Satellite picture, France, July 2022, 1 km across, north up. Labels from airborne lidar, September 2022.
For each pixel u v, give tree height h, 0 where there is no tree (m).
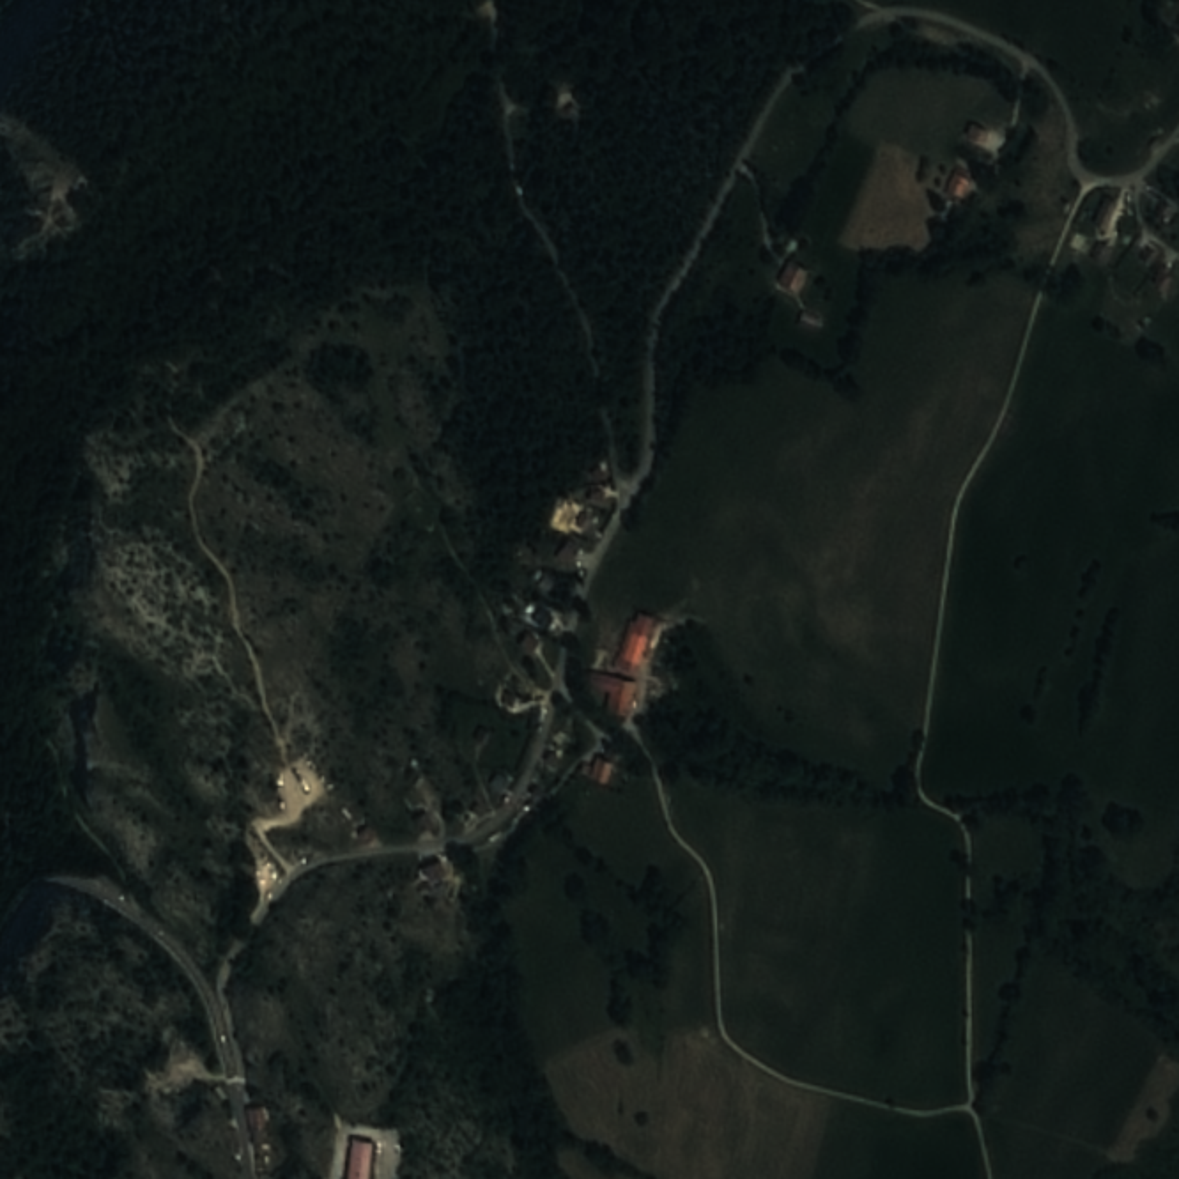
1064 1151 0
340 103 27
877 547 0
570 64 20
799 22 27
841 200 0
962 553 0
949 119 0
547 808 17
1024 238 0
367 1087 9
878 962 0
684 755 6
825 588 0
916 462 0
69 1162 15
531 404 11
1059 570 0
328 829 0
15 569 19
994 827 0
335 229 13
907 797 18
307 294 11
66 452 20
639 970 23
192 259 31
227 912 12
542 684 0
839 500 0
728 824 0
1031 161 0
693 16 19
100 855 9
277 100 11
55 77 12
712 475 0
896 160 0
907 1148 0
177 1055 0
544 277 15
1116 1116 0
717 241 11
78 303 19
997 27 0
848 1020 0
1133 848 0
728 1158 0
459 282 6
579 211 10
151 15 14
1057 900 23
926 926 0
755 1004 0
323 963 0
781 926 0
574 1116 0
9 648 22
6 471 16
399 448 0
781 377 0
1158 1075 0
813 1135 0
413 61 28
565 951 0
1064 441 0
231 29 11
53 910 0
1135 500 0
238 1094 0
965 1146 0
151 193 19
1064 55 0
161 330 11
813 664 0
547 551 0
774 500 0
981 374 0
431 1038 6
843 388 20
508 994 21
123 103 17
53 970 10
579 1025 0
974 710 0
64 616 11
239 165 26
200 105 15
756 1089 0
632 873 0
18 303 26
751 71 17
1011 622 0
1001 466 0
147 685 9
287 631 0
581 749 8
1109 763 0
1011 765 0
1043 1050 0
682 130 14
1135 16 0
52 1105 6
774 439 0
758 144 0
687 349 8
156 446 6
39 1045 9
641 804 0
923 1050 0
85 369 20
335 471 0
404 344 0
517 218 10
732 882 0
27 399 25
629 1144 0
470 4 25
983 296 0
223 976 0
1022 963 12
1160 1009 11
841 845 0
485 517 8
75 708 0
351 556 0
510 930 19
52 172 0
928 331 0
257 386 0
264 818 0
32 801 32
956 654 0
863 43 0
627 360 9
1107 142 0
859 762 0
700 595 0
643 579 0
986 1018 0
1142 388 0
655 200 11
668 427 14
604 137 15
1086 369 0
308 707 0
